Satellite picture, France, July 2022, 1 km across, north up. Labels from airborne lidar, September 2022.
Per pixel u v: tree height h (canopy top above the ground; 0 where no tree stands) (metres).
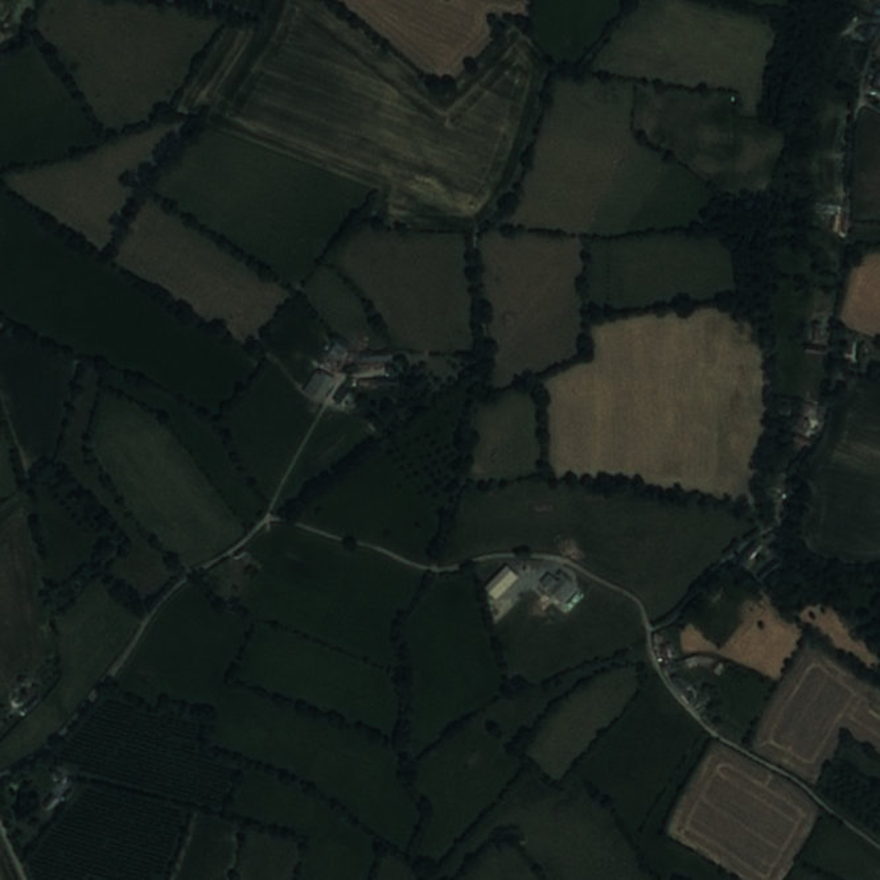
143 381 18
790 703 0
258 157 0
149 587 0
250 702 0
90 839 6
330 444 0
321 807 0
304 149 0
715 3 8
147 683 0
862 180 0
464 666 0
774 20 10
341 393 0
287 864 0
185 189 0
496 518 0
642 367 0
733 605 0
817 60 9
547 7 0
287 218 0
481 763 0
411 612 7
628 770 0
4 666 0
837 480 0
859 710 0
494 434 0
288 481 0
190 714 13
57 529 0
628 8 14
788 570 13
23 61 0
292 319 0
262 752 0
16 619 0
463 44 0
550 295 0
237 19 17
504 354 0
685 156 0
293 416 0
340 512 0
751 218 18
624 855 0
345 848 0
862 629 13
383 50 9
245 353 8
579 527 0
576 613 0
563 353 0
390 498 0
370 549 0
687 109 0
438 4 0
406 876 0
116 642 0
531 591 0
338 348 0
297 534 0
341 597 0
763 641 0
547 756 0
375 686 0
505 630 0
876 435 0
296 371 0
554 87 12
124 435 0
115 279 0
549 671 0
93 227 0
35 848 13
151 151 0
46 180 0
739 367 0
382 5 0
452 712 0
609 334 0
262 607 0
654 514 0
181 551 0
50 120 0
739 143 0
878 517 0
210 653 0
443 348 0
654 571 0
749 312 24
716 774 0
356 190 0
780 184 0
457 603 0
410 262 0
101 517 19
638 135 10
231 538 0
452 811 0
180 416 0
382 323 17
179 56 0
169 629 0
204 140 11
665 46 0
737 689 0
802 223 18
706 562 0
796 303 0
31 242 0
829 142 0
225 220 0
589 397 0
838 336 10
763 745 0
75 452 0
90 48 0
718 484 0
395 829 0
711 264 0
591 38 0
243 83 0
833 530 0
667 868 0
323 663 0
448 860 8
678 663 0
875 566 11
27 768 16
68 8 0
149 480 0
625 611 0
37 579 0
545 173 0
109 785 10
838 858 0
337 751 0
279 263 0
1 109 0
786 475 7
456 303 0
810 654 0
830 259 0
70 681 0
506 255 0
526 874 0
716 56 0
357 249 0
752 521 7
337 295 0
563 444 0
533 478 7
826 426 6
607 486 17
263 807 0
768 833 0
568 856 0
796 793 0
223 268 0
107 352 0
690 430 0
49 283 0
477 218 0
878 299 0
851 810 6
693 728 0
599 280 0
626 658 8
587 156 0
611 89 0
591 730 0
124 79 0
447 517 18
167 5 23
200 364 0
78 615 0
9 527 0
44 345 15
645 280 0
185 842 8
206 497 0
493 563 0
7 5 0
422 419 13
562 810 0
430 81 9
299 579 0
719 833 0
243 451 0
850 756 0
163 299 16
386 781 0
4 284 0
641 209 0
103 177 0
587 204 0
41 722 0
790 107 14
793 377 0
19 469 12
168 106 14
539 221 0
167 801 8
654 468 0
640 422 0
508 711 0
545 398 17
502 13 0
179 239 0
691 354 0
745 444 0
